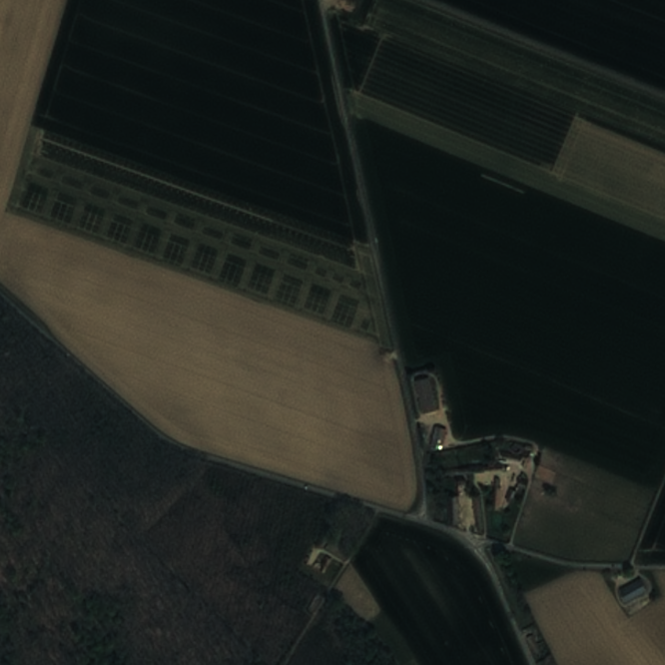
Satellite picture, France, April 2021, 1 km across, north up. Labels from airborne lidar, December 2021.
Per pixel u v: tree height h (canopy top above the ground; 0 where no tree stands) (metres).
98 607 20
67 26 0
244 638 8
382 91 0
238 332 0
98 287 0
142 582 22
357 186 0
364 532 18
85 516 16
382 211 0
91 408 21
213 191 0
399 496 0
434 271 0
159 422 0
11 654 20
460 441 0
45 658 23
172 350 0
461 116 0
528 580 0
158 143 0
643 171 0
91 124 0
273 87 0
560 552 0
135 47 0
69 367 20
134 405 0
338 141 0
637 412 0
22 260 0
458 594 0
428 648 0
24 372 21
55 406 23
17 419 25
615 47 0
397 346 0
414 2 0
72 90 0
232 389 0
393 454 0
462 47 0
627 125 0
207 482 7
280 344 0
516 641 0
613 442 0
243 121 0
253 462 0
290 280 0
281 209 0
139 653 24
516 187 0
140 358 0
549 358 0
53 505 14
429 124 0
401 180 0
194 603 24
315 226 0
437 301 0
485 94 0
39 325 0
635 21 0
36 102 0
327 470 0
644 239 0
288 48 0
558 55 0
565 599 0
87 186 0
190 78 0
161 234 0
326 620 9
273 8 0
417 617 0
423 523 0
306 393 0
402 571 0
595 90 0
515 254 0
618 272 0
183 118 0
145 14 0
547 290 0
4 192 0
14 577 21
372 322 0
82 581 23
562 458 0
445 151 0
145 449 21
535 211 0
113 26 0
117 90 0
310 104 0
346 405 0
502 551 16
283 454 0
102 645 16
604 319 0
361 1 0
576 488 0
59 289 0
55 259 0
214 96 0
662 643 0
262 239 0
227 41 0
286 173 0
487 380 0
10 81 0
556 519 0
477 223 0
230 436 0
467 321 0
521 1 0
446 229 0
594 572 0
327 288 0
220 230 0
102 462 20
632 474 0
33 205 0
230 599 8
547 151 0
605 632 0
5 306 16
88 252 0
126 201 0
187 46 0
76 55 0
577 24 0
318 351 0
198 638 21
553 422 0
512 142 0
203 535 8
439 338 0
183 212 0
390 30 0
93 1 0
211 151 0
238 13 0
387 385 0
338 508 20
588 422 0
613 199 0
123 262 0
